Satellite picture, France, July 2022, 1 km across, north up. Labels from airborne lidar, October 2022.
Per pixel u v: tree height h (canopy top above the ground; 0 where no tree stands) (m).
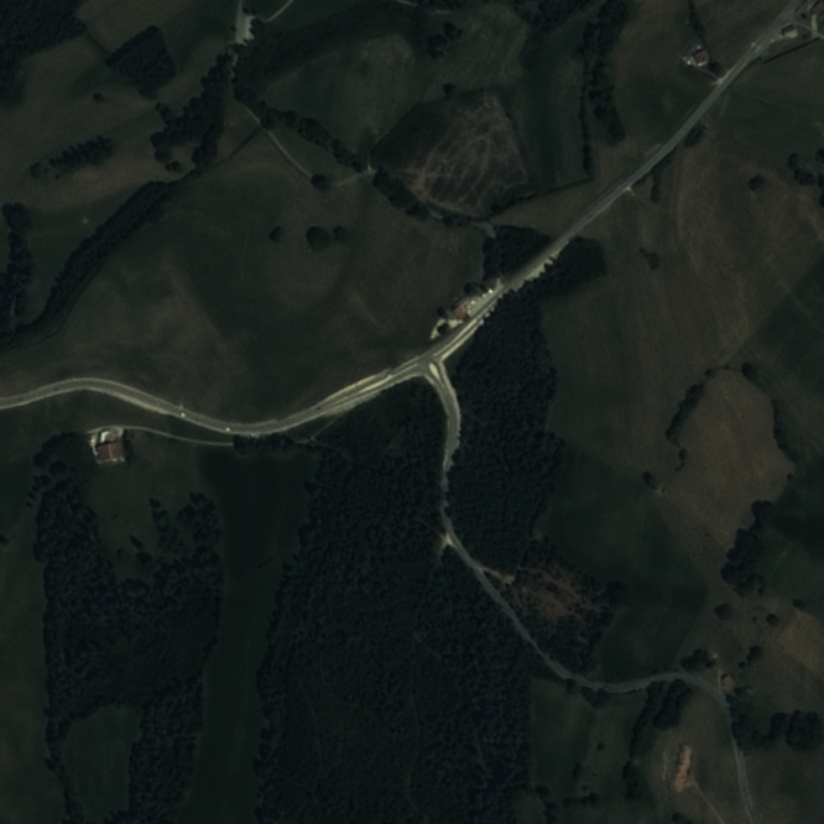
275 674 11
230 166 0
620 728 0
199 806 0
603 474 0
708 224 0
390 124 0
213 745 0
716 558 0
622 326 0
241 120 0
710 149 0
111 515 0
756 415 0
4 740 0
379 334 0
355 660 7
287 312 0
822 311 0
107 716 0
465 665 12
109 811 0
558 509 0
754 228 0
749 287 0
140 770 21
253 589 0
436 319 0
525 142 0
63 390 0
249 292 0
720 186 0
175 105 0
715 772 0
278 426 0
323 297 0
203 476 0
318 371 0
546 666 7
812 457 0
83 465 0
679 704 13
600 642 16
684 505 0
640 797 8
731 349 0
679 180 0
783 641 0
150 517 0
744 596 7
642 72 0
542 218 0
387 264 0
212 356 0
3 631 0
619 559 0
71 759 0
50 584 18
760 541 21
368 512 23
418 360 0
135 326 0
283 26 0
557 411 0
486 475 17
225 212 0
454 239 0
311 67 0
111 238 15
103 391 0
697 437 0
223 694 0
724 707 0
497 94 0
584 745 0
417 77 0
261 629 0
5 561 0
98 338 0
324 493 15
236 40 0
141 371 0
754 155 0
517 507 18
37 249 0
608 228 0
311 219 0
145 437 0
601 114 20
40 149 0
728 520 0
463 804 9
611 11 18
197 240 0
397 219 0
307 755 7
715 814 0
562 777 0
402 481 18
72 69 0
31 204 0
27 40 16
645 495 0
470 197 0
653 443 0
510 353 15
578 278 8
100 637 9
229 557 0
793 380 0
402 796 12
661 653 0
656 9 0
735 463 0
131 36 0
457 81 0
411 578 7
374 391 0
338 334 0
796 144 0
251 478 0
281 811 10
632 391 0
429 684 7
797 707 0
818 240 0
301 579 11
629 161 0
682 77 0
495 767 9
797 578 0
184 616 8
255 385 0
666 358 0
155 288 0
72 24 21
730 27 0
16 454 0
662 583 0
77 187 0
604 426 0
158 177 0
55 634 21
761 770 0
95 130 0
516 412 11
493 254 22
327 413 0
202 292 0
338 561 20
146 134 0
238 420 0
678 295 0
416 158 0
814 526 0
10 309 24
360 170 15
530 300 18
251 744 0
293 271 0
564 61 0
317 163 0
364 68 0
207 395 0
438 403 14
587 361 0
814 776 0
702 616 0
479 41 0
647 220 0
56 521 22
